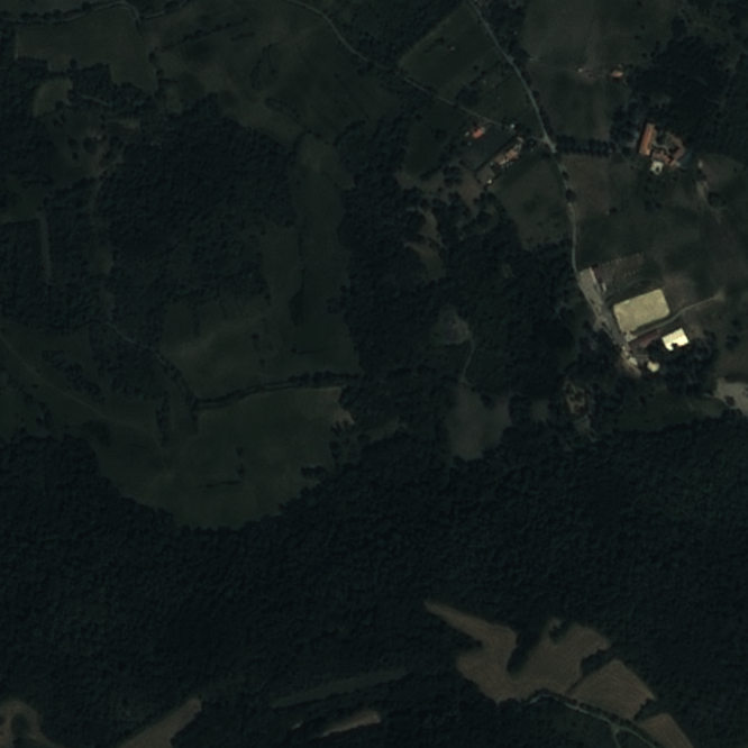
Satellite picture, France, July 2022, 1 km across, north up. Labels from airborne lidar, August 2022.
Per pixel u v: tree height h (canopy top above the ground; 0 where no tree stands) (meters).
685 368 16
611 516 23
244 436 0
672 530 20
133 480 0
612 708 0
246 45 0
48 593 20
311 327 0
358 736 21
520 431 12
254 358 0
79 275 6
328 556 18
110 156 9
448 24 0
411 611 16
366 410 13
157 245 8
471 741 20
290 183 9
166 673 11
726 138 7
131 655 10
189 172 15
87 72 8
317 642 14
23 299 10
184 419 0
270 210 6
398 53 13
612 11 0
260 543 18
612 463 19
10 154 23
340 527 25
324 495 18
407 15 12
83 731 10
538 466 16
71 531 25
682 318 0
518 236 10
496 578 12
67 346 0
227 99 0
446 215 12
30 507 21
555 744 12
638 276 0
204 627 16
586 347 23
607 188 0
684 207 0
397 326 10
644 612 16
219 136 7
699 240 0
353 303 10
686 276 0
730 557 25
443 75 0
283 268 0
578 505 23
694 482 11
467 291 12
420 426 8
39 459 20
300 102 0
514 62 6
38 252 11
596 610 18
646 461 20
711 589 24
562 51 0
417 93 6
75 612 20
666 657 10
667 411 0
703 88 9
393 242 16
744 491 16
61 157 0
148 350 8
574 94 0
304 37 0
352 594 22
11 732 0
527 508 25
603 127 0
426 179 7
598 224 0
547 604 12
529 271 17
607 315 0
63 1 0
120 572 23
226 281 10
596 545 17
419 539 26
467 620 0
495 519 21
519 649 7
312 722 9
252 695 11
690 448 14
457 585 21
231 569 23
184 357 0
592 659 12
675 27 6
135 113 13
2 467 7
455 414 0
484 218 14
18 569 24
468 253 7
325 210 0
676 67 9
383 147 16
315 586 18
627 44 0
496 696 0
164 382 0
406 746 13
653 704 12
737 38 9
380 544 28
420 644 20
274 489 0
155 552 22
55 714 7
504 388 14
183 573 14
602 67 0
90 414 0
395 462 15
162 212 13
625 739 6
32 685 17
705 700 10
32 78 14
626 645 8
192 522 0
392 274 14
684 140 11
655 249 0
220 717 15
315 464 0
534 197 0
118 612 25
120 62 0
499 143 0
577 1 0
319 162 0
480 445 0
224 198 7
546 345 14
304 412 0
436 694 8
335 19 8
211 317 0
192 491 0
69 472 17
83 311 7
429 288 11
